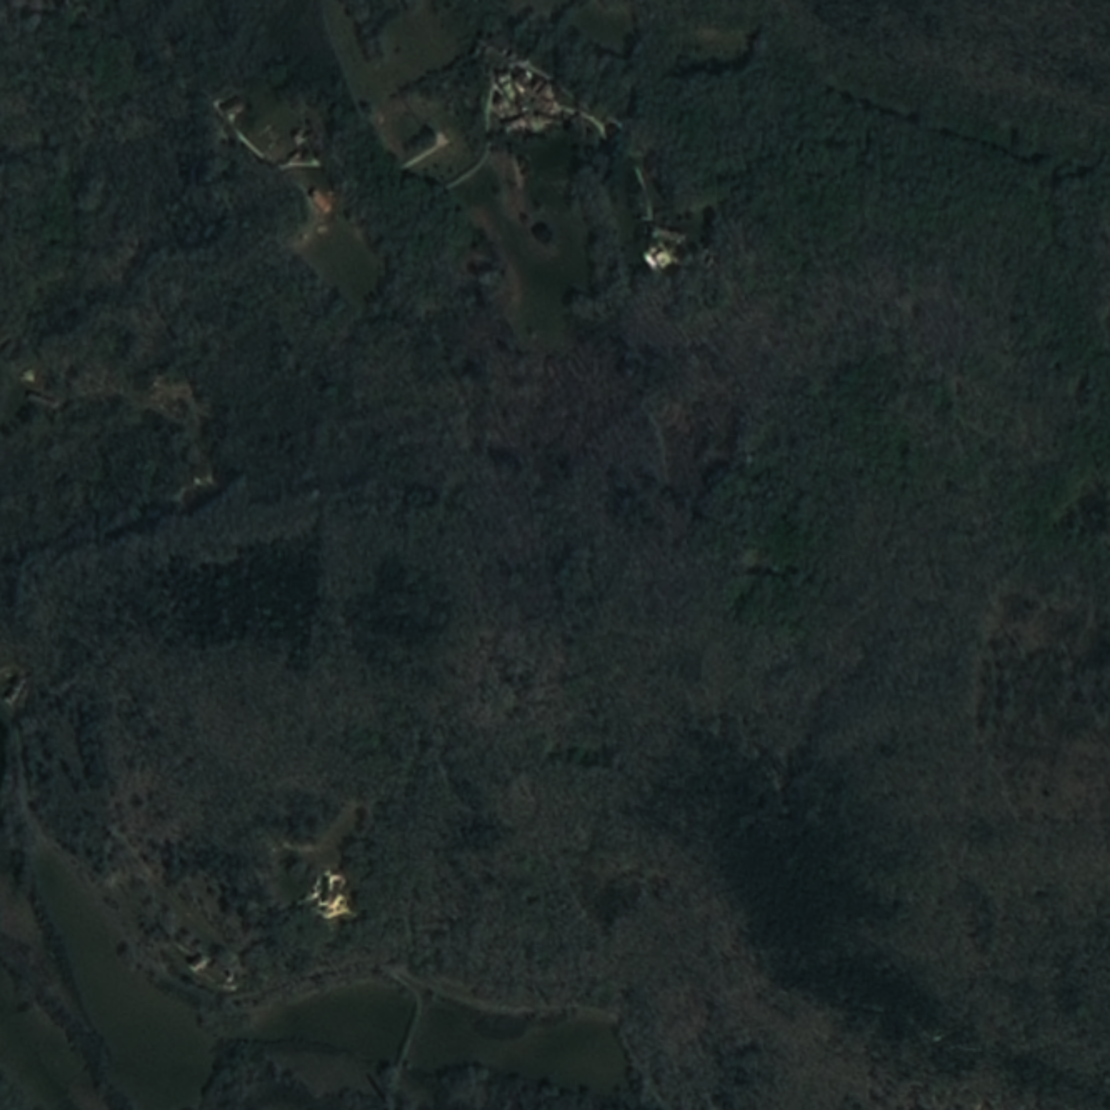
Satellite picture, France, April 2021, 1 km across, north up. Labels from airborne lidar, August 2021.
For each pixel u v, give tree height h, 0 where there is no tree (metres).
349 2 20
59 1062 0
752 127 19
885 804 11
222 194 17
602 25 0
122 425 22
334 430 20
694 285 22
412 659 14
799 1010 16
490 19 14
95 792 12
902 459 18
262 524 15
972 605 17
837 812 10
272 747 17
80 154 26
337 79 7
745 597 15
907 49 14
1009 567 17
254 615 6
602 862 18
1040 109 11
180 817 14
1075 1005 14
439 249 21
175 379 16
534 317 0
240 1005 9
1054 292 24
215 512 15
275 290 23
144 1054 0
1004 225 18
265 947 17
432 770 22
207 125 23
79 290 22
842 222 19
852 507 13
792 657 15
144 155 26
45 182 24
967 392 15
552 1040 0
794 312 17
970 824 14
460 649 15
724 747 7
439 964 14
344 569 14
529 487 24
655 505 16
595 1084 0
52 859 0
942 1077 15
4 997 0
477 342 6
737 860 8
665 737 16
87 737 12
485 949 20
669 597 17
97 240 15
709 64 7
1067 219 23
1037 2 13
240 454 21
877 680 13
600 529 20
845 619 13
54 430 18
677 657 13
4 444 14
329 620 15
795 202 16
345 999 0
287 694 16
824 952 12
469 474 20
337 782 22
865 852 11
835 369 15
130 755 13
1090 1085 12
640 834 16
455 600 17
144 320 17
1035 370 18
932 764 12
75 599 14
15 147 22
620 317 17
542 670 13
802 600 16
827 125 22
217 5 24
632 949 19
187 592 9
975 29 14
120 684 9
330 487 16
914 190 22
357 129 22
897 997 9
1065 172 16
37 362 19
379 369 22
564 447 8
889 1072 15
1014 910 11
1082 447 19
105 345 28
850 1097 17
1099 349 24
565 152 0
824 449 21
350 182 21
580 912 13
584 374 12
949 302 15
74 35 17
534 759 18
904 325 18
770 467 25
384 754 12
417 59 0
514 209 0
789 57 16
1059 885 11
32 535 25
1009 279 20
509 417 11
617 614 16
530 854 16
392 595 12
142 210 26
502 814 16
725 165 23
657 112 22
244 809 18
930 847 16
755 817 7
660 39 18
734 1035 14
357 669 19
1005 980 12
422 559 15
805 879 11
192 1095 0
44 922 7
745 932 13
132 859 16
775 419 16
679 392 22
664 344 19
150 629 12
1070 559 14
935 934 17
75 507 26
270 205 19
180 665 15
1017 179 21
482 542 24
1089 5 8
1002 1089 12
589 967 21
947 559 15
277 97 16
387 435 14
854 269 14
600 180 21
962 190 20
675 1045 13
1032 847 14
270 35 7
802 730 7
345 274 0
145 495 14
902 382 9
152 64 21
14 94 16
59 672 13
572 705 14
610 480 14
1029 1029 12
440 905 12
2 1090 22
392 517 26
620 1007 18
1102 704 7
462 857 20
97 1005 0
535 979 20
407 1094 0
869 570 13
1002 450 15
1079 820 11
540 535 23
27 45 20
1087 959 19
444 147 0
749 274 24
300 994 22
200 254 20
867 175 21
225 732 17
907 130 23
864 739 13
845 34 12
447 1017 0
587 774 21
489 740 19
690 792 9
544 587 19
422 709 19
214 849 14
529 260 0
